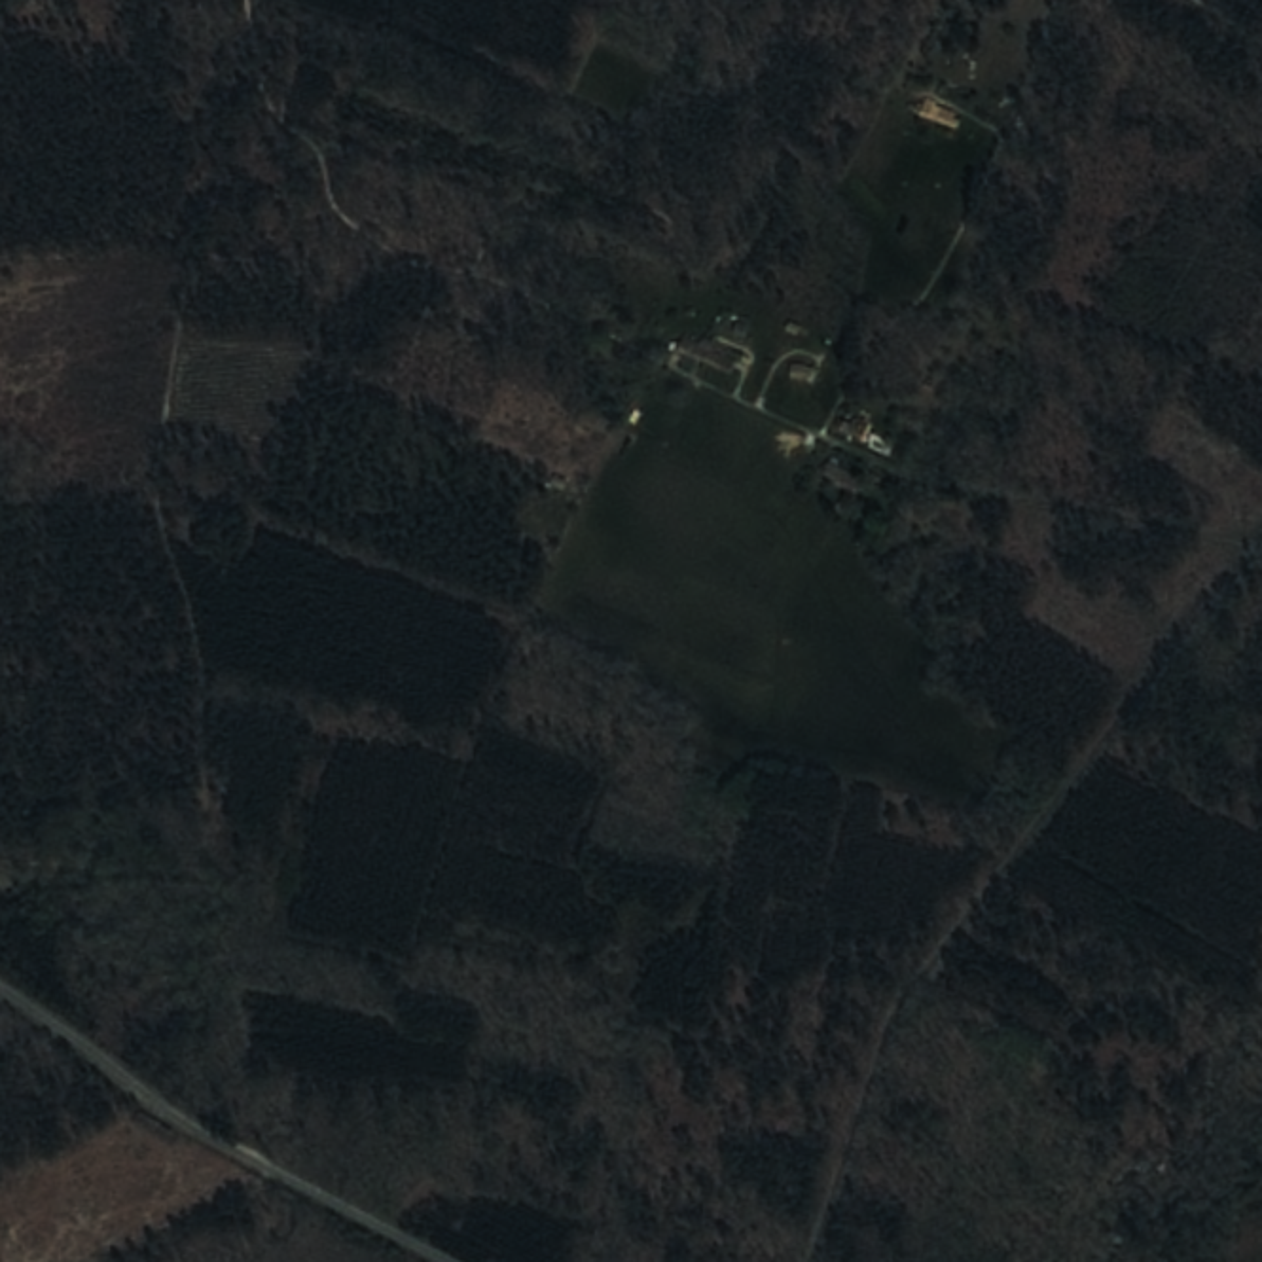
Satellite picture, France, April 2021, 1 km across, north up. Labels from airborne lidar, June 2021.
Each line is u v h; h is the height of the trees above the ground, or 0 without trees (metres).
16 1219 0
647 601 0
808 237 9
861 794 11
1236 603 23
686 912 18
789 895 14
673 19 19
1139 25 12
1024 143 23
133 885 26
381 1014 15
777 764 13
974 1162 17
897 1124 10
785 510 0
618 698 17
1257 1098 13
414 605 11
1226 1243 24
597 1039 14
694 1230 24
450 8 12
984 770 0
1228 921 10
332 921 12
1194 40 20
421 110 15
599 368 19
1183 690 23
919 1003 18
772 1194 19
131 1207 0
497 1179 14
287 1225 9
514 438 0
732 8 8
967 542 14
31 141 19
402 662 10
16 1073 20
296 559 12
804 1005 9
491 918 8
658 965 10
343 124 7
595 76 0
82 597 12
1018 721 20
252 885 13
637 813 14
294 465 16
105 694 11
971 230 15
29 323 0
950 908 11
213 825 14
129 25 15
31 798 10
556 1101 17
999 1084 19
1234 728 13
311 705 10
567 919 8
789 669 0
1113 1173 17
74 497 12
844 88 8
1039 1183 20
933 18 8
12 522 14
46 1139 19
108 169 21
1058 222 24
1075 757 19
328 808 11
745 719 0
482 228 12
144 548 14
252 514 14
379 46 15
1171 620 0
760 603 0
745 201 14
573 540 0
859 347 15
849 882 11
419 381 7
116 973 9
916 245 0
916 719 0
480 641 10
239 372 0
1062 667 18
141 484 8
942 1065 20
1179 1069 7
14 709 14
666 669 0
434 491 18
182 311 18
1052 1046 16
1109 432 20
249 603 12
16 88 19
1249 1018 18
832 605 0
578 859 8
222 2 7
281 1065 10
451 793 10
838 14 9
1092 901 11
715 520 0
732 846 14
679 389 15
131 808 15
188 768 11
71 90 17
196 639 12
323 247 9
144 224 22
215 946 15
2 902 8
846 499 9
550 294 16
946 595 17
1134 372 16
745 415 0
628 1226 12
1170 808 10
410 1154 17
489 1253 10
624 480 0
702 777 15
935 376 8
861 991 11
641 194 20
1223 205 7
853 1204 12
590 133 15
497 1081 17
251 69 18
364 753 10
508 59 10
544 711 13
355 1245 15
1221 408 14
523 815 9
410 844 11
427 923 10
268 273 19
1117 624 0
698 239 15
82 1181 0
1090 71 26
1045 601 0
